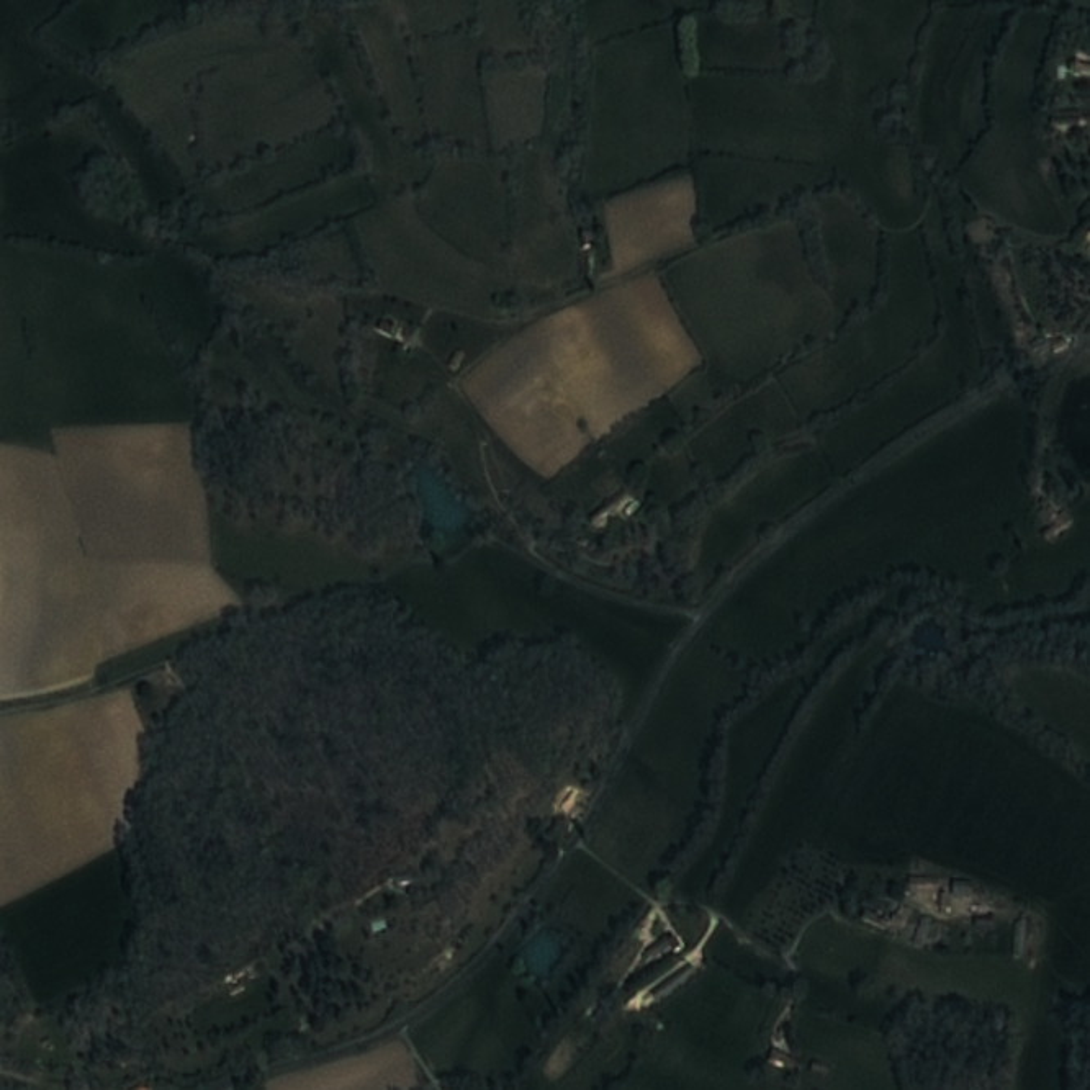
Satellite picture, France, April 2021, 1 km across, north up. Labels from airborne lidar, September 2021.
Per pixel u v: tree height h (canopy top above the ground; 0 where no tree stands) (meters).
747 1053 0
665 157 0
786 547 0
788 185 0
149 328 0
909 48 0
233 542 0
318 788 21
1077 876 0
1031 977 0
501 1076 0
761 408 0
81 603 0
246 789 22
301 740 18
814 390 0
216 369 0
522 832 18
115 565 0
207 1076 9
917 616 11
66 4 8
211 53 0
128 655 0
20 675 0
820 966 0
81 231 0
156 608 0
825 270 18
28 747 0
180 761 19
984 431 0
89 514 0
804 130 0
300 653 21
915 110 10
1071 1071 17
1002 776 0
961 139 0
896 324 0
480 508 18
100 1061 19
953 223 10
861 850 0
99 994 17
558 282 0
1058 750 18
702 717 0
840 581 0
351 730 20
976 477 0
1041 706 0
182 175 6
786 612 0
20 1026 18
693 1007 0
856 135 0
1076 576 0
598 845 0
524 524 10
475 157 13
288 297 13
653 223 0
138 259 7
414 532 24
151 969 19
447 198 0
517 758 21
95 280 0
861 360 0
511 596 0
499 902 10
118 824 0
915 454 0
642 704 0
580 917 0
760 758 0
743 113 0
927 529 0
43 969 0
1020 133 0
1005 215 0
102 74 14
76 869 0
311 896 8
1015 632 12
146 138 9
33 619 0
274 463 23
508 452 0
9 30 0
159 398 0
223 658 20
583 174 6
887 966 0
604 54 0
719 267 0
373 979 15
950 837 0
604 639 0
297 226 0
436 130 0
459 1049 0
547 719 16
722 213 0
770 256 0
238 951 20
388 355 0
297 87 0
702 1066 0
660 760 0
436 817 9
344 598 16
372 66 9
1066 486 7
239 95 0
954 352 0
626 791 0
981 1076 26
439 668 25
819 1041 0
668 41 0
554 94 7
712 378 0
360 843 8
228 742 24
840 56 0
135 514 0
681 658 0
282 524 13
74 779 0
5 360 0
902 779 0
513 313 21
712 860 0
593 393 0
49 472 0
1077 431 0
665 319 0
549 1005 0
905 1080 23
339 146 0
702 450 0
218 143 0
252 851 20
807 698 7
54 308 0
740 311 0
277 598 15
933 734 0
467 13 0
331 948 28
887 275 7
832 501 0
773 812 0
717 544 0
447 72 0
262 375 0
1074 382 0
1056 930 0
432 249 0
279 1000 17
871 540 0
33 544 0
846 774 0
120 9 0
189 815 23
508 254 13
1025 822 0
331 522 18
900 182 0
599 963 14
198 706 15
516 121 0
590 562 8
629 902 0
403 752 21
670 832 0
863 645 8
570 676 18
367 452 9
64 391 0
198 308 0
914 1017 22
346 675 26
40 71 0
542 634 0
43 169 0
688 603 14
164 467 0
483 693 23
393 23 0
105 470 0
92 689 0
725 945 0
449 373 0
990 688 20
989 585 0
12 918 0
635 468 9
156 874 26
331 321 0
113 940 0
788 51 14
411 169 0
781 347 0
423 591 0
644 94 0
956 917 0
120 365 0
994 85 6
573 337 0
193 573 0
